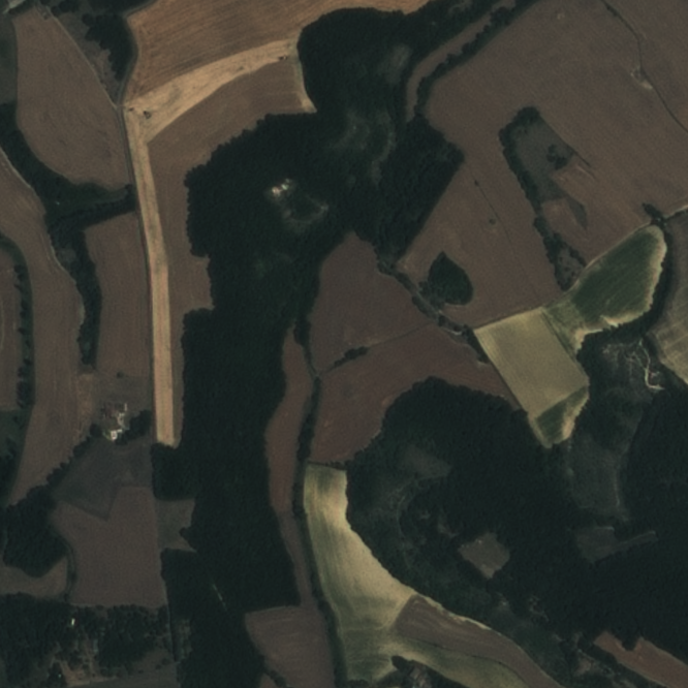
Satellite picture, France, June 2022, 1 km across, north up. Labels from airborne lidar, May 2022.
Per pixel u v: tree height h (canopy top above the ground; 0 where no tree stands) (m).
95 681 0
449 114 0
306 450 12
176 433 0
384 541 6
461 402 17
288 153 11
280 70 0
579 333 0
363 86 16
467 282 7
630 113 0
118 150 0
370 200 18
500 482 17
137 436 14
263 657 13
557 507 14
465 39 0
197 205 15
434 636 0
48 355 0
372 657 0
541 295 0
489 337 0
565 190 0
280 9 0
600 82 0
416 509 10
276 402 15
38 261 0
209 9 0
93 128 0
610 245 0
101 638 8
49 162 0
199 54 0
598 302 0
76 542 0
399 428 14
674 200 0
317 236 13
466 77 0
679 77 0
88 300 9
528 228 0
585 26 0
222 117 0
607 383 7
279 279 13
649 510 9
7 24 0
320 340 0
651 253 0
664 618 14
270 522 15
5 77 0
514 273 0
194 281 0
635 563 17
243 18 0
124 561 0
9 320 0
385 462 7
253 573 12
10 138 10
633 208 0
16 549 10
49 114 0
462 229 0
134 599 0
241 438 20
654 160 0
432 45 14
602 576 20
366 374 0
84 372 0
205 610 10
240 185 17
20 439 0
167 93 0
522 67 0
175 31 0
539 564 13
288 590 13
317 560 0
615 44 0
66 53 0
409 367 0
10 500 0
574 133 0
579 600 13
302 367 0
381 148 8
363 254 0
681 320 0
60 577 0
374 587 0
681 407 10
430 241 0
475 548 0
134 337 0
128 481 0
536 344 0
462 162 10
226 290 18
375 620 0
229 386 17
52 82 0
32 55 0
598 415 15
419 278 0
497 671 0
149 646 8
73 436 0
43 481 0
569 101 0
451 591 7
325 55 14
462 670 0
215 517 17
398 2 0
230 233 16
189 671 10
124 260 0
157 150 0
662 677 0
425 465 0
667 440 10
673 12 0
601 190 0
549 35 0
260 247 10
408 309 0
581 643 11
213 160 11
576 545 18
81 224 13
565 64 0
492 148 0
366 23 16
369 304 0
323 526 0
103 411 7
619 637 14
